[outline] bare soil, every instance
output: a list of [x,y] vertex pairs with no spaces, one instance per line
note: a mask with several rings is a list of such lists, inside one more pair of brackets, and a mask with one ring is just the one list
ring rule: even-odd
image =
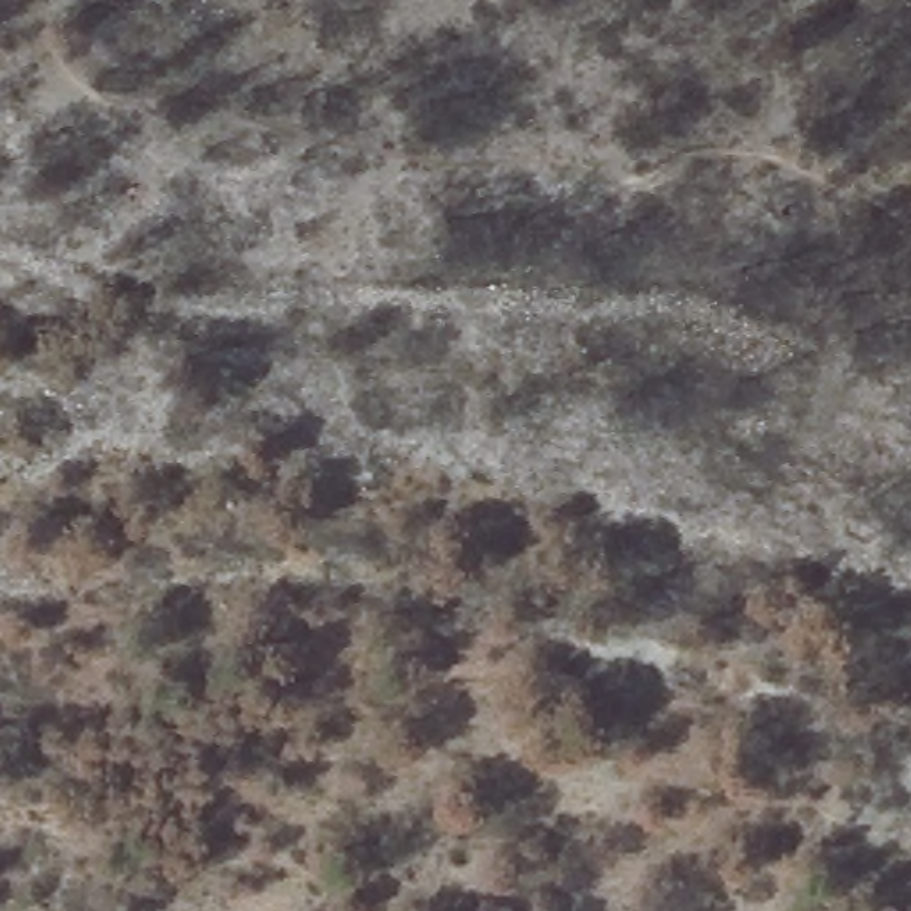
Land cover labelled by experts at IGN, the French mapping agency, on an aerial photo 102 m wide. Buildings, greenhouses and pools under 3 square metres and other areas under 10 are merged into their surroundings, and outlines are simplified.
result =
[[[135,335],[132,349],[121,359],[93,367],[93,374],[75,388],[68,381],[32,374],[21,363],[0,356],[0,712],[18,715],[18,708],[36,705],[128,708],[125,690],[135,690],[139,683],[146,687],[160,676],[160,665],[139,658],[135,651],[139,616],[132,612],[132,601],[114,601],[114,609],[85,605],[85,591],[128,576],[128,566],[121,559],[85,576],[71,552],[60,552],[57,544],[50,552],[28,548],[28,527],[53,498],[117,502],[125,534],[135,537],[146,523],[146,509],[132,484],[135,470],[217,466],[221,498],[256,498],[267,512],[274,512],[288,502],[292,477],[306,466],[320,466],[320,480],[313,480],[310,498],[317,516],[302,527],[292,527],[295,555],[285,555],[281,562],[235,555],[228,569],[221,562],[185,555],[171,562],[174,580],[199,584],[214,609],[206,651],[224,648],[228,641],[242,644],[246,633],[263,633],[267,619],[281,623],[285,633],[292,633],[310,651],[313,697],[306,705],[313,708],[317,730],[331,747],[327,772],[306,790],[285,786],[285,779],[267,772],[224,772],[224,786],[235,790],[242,801],[263,808],[267,815],[260,826],[238,818],[235,833],[242,833],[249,847],[224,861],[214,861],[164,911],[306,911],[306,886],[324,872],[317,854],[320,822],[338,811],[342,797],[349,797],[370,818],[363,826],[363,836],[342,843],[342,875],[352,890],[352,911],[413,911],[416,897],[434,897],[445,886],[463,886],[473,893],[495,890],[509,865],[498,854],[502,836],[491,836],[484,818],[498,815],[509,801],[530,797],[541,786],[541,779],[559,786],[555,808],[541,815],[544,826],[555,826],[562,815],[576,815],[576,840],[605,840],[619,822],[644,829],[644,851],[619,858],[616,868],[609,868],[598,879],[598,897],[591,904],[573,907],[566,886],[548,883],[548,911],[669,911],[665,897],[673,879],[658,879],[655,868],[673,861],[676,854],[697,854],[701,872],[726,886],[733,911],[794,911],[794,900],[808,886],[808,875],[794,868],[786,854],[797,851],[801,833],[822,840],[818,865],[826,868],[826,893],[843,893],[865,883],[872,886],[868,904],[893,911],[911,911],[911,0],[0,0],[0,299],[21,313],[57,313],[64,295],[85,299],[93,292],[93,285],[78,278],[78,263],[93,263],[103,274],[117,274],[110,292],[128,299],[128,317],[121,320],[121,327]],[[673,523],[683,548],[715,537],[733,555],[754,555],[765,562],[801,559],[794,566],[797,584],[811,601],[826,609],[826,626],[836,637],[851,641],[847,697],[836,701],[836,694],[829,690],[829,676],[804,676],[804,655],[786,633],[765,641],[719,644],[694,616],[676,612],[658,623],[616,626],[609,641],[598,641],[591,630],[591,601],[601,598],[609,584],[566,580],[555,569],[562,552],[573,544],[573,523],[552,523],[552,509],[580,491],[594,495],[609,520],[641,516]],[[534,537],[509,562],[463,573],[456,566],[448,534],[456,530],[459,509],[488,498],[512,502]],[[374,722],[356,722],[356,712],[345,705],[352,669],[345,665],[342,651],[349,648],[363,591],[395,601],[395,619],[402,619],[406,630],[420,630],[423,637],[423,644],[399,651],[409,662],[431,665],[431,683],[416,694],[420,715],[413,715],[406,726],[395,722],[377,730]],[[744,726],[783,737],[815,730],[826,740],[826,758],[804,769],[779,769],[776,779],[762,790],[762,822],[730,826],[726,833],[715,833],[705,811],[722,808],[726,794],[697,794],[690,786],[644,790],[633,779],[616,779],[605,758],[576,769],[544,758],[537,737],[523,733],[520,722],[512,722],[516,687],[520,676],[530,673],[534,658],[548,673],[562,673],[573,680],[584,712],[591,715],[584,737],[598,744],[626,744],[626,751],[651,758],[662,751],[676,751],[690,730],[705,730],[705,740],[719,740],[719,730],[726,722],[737,733]]]
[[57,801],[14,801],[7,794],[7,779],[0,779],[0,911],[128,911],[125,904],[103,900],[103,886],[121,886],[125,875],[110,868],[110,847],[103,843],[103,836],[93,826],[64,826],[64,808]]

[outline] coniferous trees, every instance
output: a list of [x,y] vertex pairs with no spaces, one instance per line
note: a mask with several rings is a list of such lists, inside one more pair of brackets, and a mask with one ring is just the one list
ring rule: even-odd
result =
[[673,523],[641,516],[609,520],[594,495],[580,491],[552,509],[552,523],[573,523],[573,544],[562,552],[555,569],[566,580],[609,584],[601,598],[591,601],[591,630],[598,641],[609,641],[616,626],[658,623],[676,612],[694,616],[719,644],[765,641],[786,633],[804,655],[804,676],[829,676],[829,690],[836,694],[836,701],[847,697],[851,641],[836,637],[826,626],[826,609],[811,601],[797,584],[794,566],[801,559],[765,562],[754,555],[733,555],[715,537],[683,548]]
[[338,811],[320,822],[317,854],[324,872],[306,886],[306,911],[352,911],[352,890],[342,875],[342,843],[363,836],[363,826],[370,818],[349,797],[342,797]]
[[733,911],[726,886],[701,872],[697,854],[676,854],[673,861],[655,868],[658,879],[673,879],[665,897],[669,911]]
[[103,900],[125,904],[128,911],[164,911],[214,861],[224,861],[249,847],[242,833],[235,833],[238,818],[260,826],[267,815],[263,808],[242,801],[235,790],[224,786],[224,772],[267,772],[285,779],[285,786],[306,790],[327,772],[331,747],[317,730],[313,708],[306,705],[313,697],[310,651],[292,633],[285,633],[281,623],[267,619],[263,633],[246,633],[242,644],[228,641],[224,648],[206,651],[214,609],[199,584],[174,580],[171,562],[185,555],[221,562],[228,569],[235,555],[281,562],[285,555],[295,555],[292,527],[302,527],[317,516],[310,498],[313,480],[320,480],[320,466],[306,466],[292,477],[288,502],[274,512],[267,512],[256,498],[221,498],[217,466],[135,470],[132,484],[146,509],[146,523],[135,537],[125,534],[117,502],[53,498],[28,527],[28,548],[50,552],[57,544],[60,552],[71,552],[85,576],[121,559],[128,566],[128,576],[85,591],[85,605],[114,609],[114,601],[132,601],[132,612],[139,616],[135,651],[139,658],[160,665],[160,676],[146,687],[139,683],[135,690],[125,690],[128,708],[36,705],[18,708],[18,715],[0,712],[0,779],[7,779],[7,794],[14,801],[57,801],[64,808],[64,826],[93,826],[103,836],[103,843],[110,847],[110,868],[125,875],[121,886],[103,886]]
[[68,381],[75,388],[93,374],[93,367],[121,359],[132,349],[135,335],[121,327],[121,320],[128,317],[128,299],[110,292],[117,274],[103,274],[93,263],[78,263],[78,278],[93,285],[93,292],[85,299],[64,295],[57,313],[21,313],[0,299],[0,356],[21,363],[32,374]]
[[456,566],[463,573],[509,562],[534,537],[512,502],[488,498],[459,509],[456,530],[448,534]]
[[431,683],[431,665],[409,662],[399,651],[423,644],[423,637],[420,630],[406,630],[402,619],[395,619],[395,601],[363,591],[349,648],[342,651],[345,665],[352,669],[345,705],[356,712],[356,722],[374,722],[377,730],[395,722],[406,726],[413,715],[420,715],[416,694]]
[[843,893],[826,893],[826,868],[818,865],[822,840],[801,833],[797,851],[786,854],[794,868],[808,875],[808,886],[794,900],[794,911],[893,911],[868,904],[872,886],[865,883]]
[[762,790],[776,779],[779,769],[804,769],[826,758],[826,740],[815,730],[783,737],[744,726],[737,733],[726,722],[719,730],[719,740],[705,740],[705,730],[690,730],[676,751],[662,751],[651,758],[626,751],[626,744],[598,744],[584,737],[591,715],[584,712],[573,680],[562,673],[548,673],[534,658],[530,673],[520,676],[516,687],[512,722],[520,722],[523,733],[537,737],[544,758],[576,769],[605,758],[616,779],[633,779],[644,790],[690,786],[697,794],[726,794],[722,808],[705,811],[715,833],[726,833],[730,826],[762,822]]
[[473,893],[463,886],[445,886],[434,897],[416,897],[413,911],[548,911],[548,883],[566,886],[573,907],[591,904],[598,897],[598,879],[609,868],[616,868],[619,858],[644,851],[644,829],[619,822],[605,840],[576,840],[576,815],[562,815],[555,826],[544,826],[541,815],[555,808],[559,786],[541,779],[541,786],[530,797],[509,801],[498,815],[484,818],[491,836],[502,836],[498,854],[509,865],[495,890]]

